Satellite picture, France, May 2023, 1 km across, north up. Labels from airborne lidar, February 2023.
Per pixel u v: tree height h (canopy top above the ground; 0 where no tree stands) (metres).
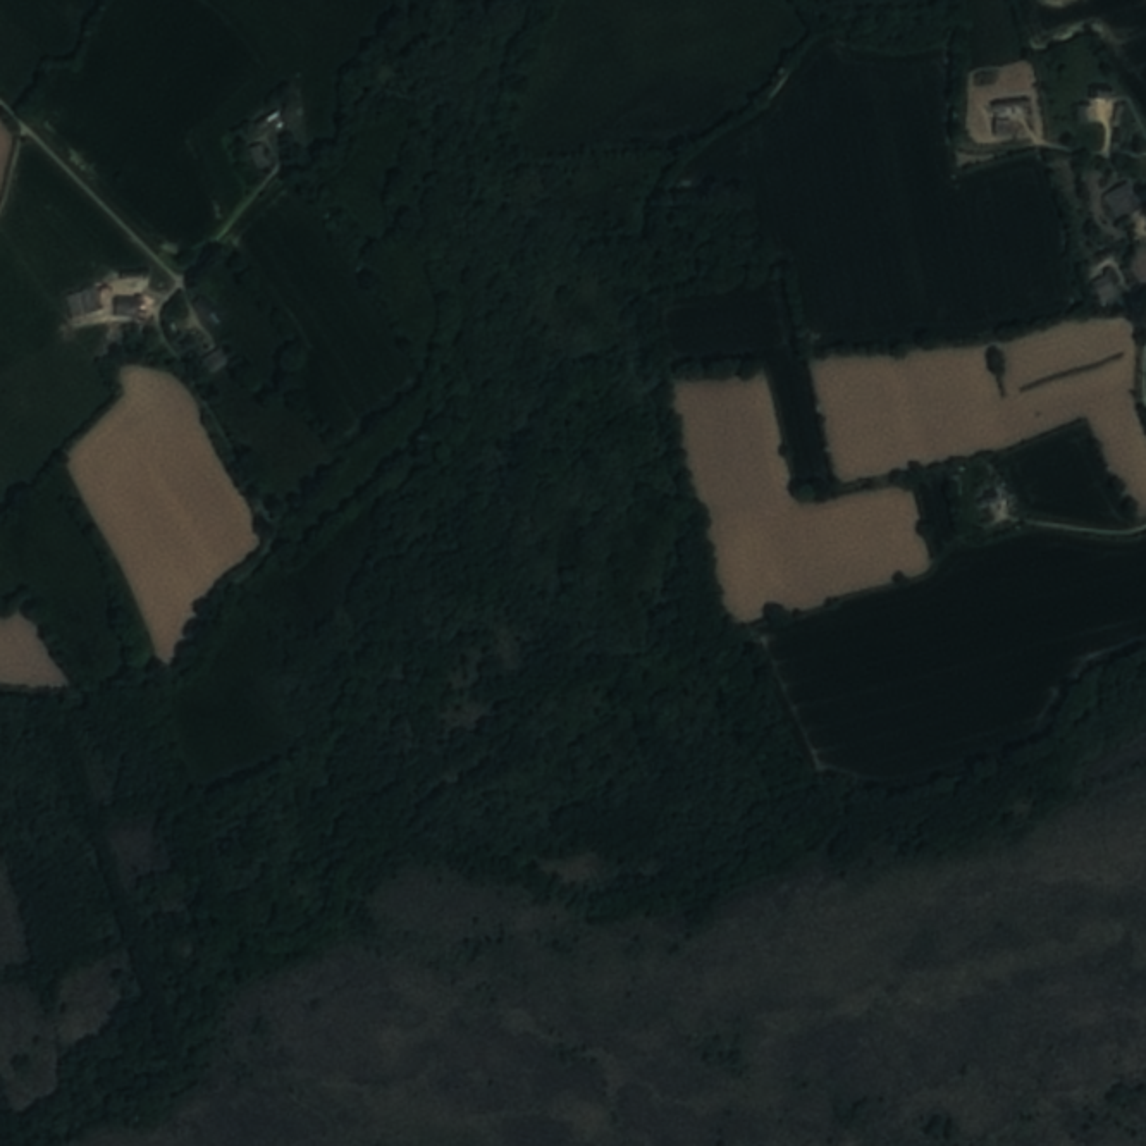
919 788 7
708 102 0
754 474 0
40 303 0
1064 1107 0
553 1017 0
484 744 13
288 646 9
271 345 0
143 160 0
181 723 0
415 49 11
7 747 15
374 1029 0
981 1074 0
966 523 10
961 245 0
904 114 0
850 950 0
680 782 13
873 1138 0
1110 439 0
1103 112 0
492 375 8
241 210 0
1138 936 0
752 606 0
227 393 0
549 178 7
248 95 0
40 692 8
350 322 0
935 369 0
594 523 8
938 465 7
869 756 0
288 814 16
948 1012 0
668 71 0
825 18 10
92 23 11
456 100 9
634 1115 0
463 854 10
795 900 0
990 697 0
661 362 17
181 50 0
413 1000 0
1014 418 0
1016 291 0
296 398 21
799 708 0
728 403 0
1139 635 0
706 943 0
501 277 9
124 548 0
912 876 0
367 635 15
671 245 9
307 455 0
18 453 0
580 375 16
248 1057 0
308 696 10
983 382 0
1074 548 0
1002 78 0
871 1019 0
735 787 10
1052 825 0
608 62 0
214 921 19
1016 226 0
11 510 17
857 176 0
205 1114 0
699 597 16
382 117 14
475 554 18
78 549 0
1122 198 0
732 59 0
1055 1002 0
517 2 12
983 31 0
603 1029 0
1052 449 0
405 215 17
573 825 15
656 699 9
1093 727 8
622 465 6
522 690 13
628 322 10
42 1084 0
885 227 0
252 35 0
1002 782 16
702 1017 0
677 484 13
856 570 0
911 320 0
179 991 12
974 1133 0
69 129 0
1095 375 0
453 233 7
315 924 16
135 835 0
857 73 0
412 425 0
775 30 0
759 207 0
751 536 0
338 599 0
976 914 0
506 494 16
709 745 13
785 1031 0
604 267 9
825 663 0
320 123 0
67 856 13
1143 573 0
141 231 0
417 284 0
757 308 0
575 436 7
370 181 0
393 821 18
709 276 22
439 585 12
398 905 0
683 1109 0
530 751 13
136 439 0
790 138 0
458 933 0
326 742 14
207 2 0
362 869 11
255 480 17
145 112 0
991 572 0
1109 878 0
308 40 0
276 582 0
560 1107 0
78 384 0
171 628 0
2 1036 0
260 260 0
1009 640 0
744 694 13
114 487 0
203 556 0
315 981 0
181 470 0
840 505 0
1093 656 0
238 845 15
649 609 6
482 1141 0
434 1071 0
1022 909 0
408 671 12
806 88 0
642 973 0
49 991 14
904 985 0
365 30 0
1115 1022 0
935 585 0
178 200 0
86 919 12
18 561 0
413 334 0
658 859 11
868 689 0
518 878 10
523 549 8
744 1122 0
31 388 0
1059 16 0
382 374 0
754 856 18
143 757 15
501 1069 0
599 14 0
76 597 0
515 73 12
